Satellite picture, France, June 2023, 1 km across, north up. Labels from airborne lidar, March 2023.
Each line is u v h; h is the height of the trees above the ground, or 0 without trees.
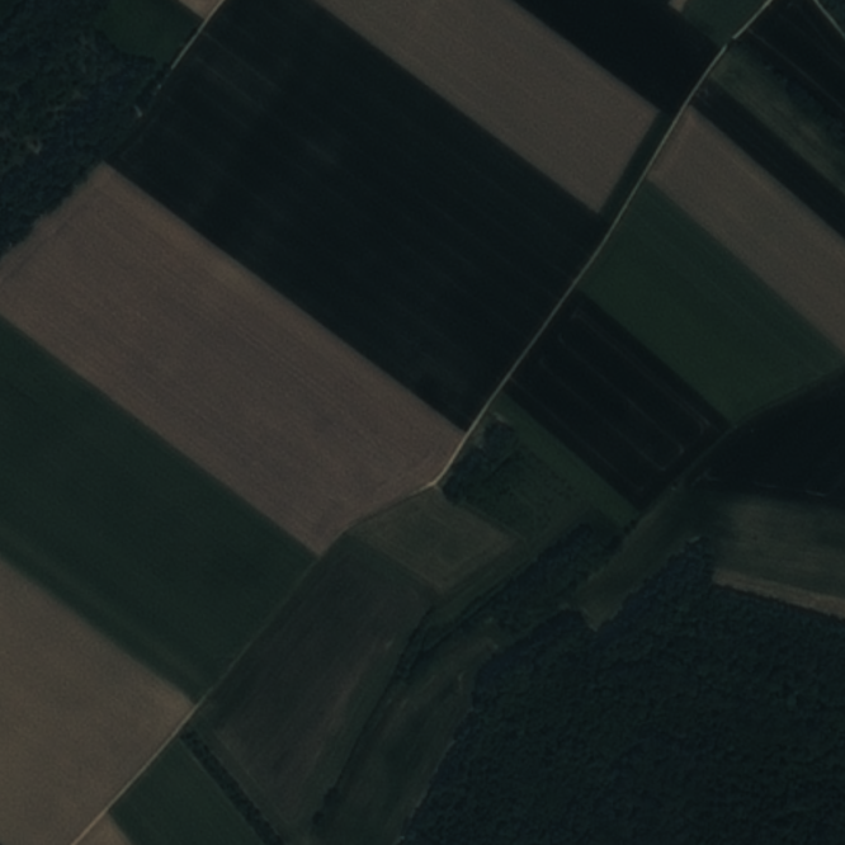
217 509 0
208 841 0
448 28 0
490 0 0
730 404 0
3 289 0
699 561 15
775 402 0
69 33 17
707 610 15
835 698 18
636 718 13
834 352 0
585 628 19
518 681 19
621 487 0
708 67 0
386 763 0
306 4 0
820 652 17
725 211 0
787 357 0
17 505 0
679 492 0
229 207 0
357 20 0
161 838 0
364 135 0
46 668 0
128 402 0
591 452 0
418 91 0
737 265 0
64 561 0
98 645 0
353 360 0
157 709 0
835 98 0
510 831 12
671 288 0
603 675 20
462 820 16
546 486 0
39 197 22
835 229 0
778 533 0
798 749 20
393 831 0
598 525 0
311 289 0
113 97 16
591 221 0
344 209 0
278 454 0
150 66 13
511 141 0
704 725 18
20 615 0
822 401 0
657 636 24
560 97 0
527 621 21
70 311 0
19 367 0
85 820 0
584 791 15
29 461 0
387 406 0
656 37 0
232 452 0
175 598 0
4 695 0
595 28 0
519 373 0
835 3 10
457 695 0
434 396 0
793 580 0
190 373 0
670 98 0
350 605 0
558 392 0
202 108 0
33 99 24
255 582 0
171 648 0
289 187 0
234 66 0
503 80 0
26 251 0
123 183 0
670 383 0
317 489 0
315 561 0
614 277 0
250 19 0
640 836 29
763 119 0
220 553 0
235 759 0
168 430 0
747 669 21
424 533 0
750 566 0
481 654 0
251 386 0
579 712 16
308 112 0
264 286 0
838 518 0
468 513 0
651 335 0
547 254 0
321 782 0
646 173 0
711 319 0
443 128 0
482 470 17
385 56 0
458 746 7
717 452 0
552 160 0
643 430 0
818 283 0
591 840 27
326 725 0
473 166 0
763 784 19
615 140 0
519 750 15
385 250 0
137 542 0
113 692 0
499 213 0
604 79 0
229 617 0
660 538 0
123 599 0
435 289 0
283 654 0
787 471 0
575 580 27
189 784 0
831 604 0
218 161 0
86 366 0
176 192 0
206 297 0
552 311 0
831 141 0
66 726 0
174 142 0
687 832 20
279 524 0
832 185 0
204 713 0
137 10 0
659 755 26
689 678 29
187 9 0
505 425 8
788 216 0
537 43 0
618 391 0
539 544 0
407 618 0
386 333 0
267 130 0
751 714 28
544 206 0
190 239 0
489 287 0
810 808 19
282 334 0
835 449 0
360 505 0
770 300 0
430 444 0
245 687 0
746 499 0
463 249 0
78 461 0
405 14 0
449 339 0
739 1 0
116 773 0
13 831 0
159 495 0
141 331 0
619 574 0
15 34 18
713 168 0
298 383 0
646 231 0
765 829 16
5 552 0
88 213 0
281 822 0
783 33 0
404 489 0
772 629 21
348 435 0
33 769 0
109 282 0
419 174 0
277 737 0
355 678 0
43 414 0
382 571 0
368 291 0
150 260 0
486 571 0
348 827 0
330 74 0
